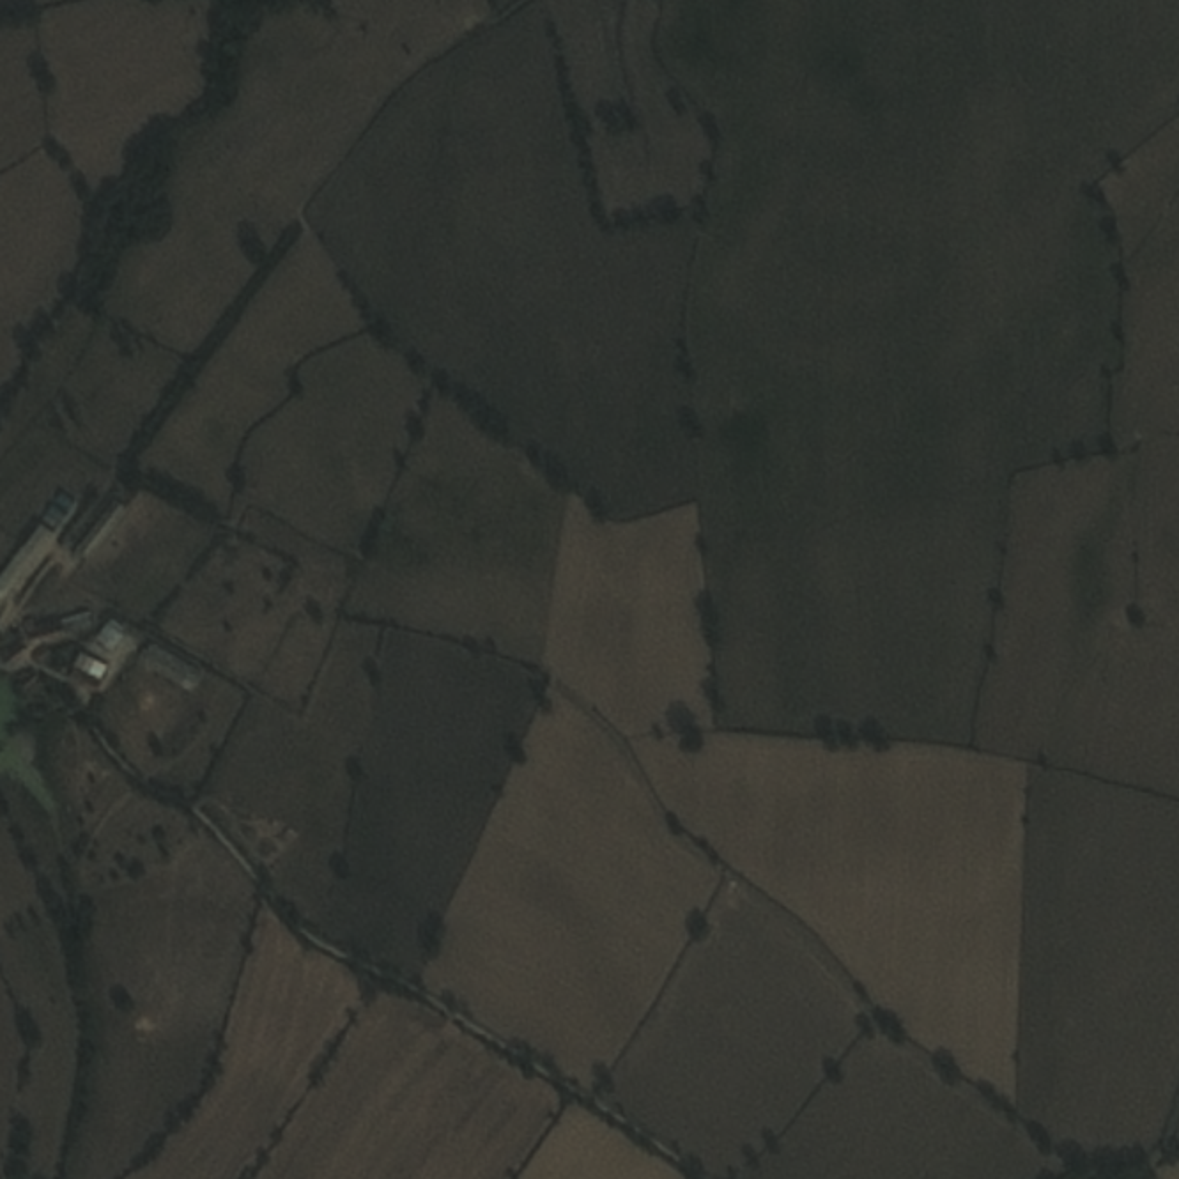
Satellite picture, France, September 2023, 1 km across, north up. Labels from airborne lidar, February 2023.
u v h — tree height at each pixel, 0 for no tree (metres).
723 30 0
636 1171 0
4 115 0
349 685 0
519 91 0
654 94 0
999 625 0
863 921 0
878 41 0
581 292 0
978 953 0
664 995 0
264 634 0
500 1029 0
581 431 0
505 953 0
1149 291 0
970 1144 0
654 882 0
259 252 19
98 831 0
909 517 0
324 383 0
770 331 0
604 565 0
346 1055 0
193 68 0
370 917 0
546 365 0
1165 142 0
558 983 0
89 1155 0
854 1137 0
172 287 0
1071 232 0
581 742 0
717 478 0
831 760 0
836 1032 0
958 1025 0
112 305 0
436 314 0
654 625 0
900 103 0
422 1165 0
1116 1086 0
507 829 0
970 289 0
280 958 0
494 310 0
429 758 0
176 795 6
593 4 0
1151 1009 0
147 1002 0
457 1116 0
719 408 0
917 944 0
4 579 0
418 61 0
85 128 0
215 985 0
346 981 0
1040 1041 0
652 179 0
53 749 0
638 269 0
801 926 0
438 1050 0
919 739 0
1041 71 0
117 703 0
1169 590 0
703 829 0
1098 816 0
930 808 0
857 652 0
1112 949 0
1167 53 0
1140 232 0
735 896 0
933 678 0
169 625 0
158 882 0
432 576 0
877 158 0
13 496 0
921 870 0
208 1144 0
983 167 0
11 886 0
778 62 0
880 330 0
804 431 0
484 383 0
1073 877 0
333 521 0
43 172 0
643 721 0
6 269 0
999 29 0
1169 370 0
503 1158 0
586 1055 0
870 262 0
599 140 0
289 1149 0
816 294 0
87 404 0
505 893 0
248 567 0
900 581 0
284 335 0
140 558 0
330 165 0
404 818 0
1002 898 0
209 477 0
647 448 0
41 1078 0
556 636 0
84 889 0
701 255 0
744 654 0
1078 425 0
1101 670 0
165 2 0
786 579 0
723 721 0
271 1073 0
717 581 0
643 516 0
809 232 0
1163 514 0
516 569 0
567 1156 0
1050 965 0
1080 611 0
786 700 0
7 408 13
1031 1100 0
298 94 0
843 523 0
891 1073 0
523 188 0
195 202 0
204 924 0
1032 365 0
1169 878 0
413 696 0
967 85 0
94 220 15
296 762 0
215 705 0
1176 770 0
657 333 0
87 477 0
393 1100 0
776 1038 0
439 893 0
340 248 0
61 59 0
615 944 0
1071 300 0
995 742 0
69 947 12
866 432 0
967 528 0
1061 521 0
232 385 0
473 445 0
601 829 0
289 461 0
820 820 0
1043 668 0
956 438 0
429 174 0
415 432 14
